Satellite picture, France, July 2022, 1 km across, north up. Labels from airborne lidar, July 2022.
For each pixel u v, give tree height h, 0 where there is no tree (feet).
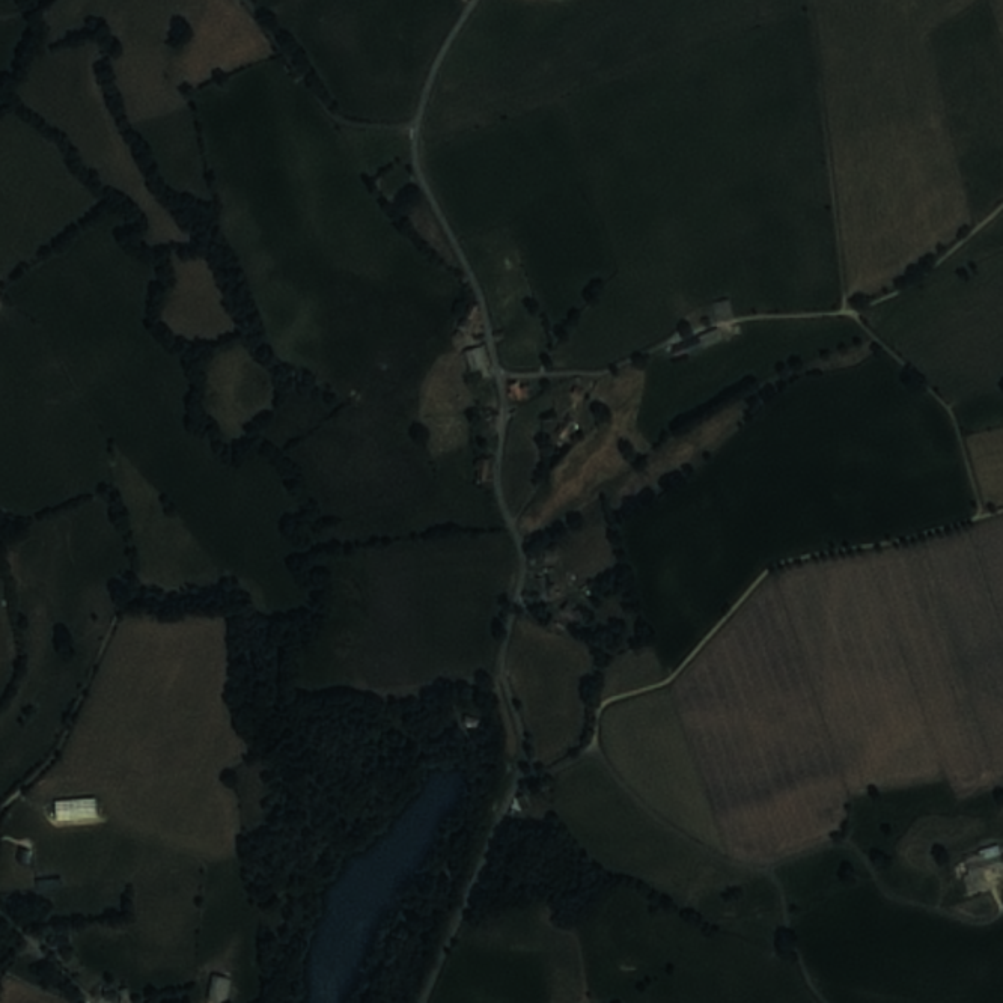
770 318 0
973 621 0
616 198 0
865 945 0
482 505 0
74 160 48
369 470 0
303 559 57
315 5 0
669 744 0
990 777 0
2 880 0
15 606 28
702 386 0
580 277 0
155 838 0
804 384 0
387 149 0
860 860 0
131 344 0
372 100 0
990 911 0
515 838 70
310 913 34
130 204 57
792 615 0
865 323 20
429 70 0
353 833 48
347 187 0
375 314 0
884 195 0
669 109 0
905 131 0
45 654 0
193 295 0
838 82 0
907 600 0
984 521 0
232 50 0
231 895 0
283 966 60
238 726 61
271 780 41
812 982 0
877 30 0
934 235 0
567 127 0
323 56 0
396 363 0
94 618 26
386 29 0
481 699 59
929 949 0
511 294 0
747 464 0
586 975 0
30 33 44
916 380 69
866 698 0
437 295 0
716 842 0
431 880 98
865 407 0
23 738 0
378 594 0
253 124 0
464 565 0
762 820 0
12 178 0
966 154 0
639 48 0
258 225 0
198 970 0
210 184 51
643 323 0
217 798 0
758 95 0
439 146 0
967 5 0
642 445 0
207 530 0
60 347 0
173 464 0
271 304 0
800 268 0
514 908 28
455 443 0
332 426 0
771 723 0
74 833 0
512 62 0
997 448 0
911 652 0
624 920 0
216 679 0
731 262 0
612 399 0
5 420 0
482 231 0
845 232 0
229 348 23
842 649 0
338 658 0
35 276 0
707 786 0
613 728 0
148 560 0
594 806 0
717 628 0
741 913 0
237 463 45
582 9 0
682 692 0
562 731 0
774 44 0
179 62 0
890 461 0
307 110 0
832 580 0
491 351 0
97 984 0
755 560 0
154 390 0
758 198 0
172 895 0
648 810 0
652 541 0
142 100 0
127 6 0
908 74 0
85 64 0
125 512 63
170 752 0
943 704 0
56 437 0
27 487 0
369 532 0
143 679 0
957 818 0
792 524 0
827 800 0
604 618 0
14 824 0
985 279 0
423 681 0
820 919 0
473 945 0
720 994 0
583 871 66
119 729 0
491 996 0
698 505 0
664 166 0
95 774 0
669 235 0
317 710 64
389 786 65
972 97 0
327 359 0
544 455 41
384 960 50
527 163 0
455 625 0
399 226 62
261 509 0
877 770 0
